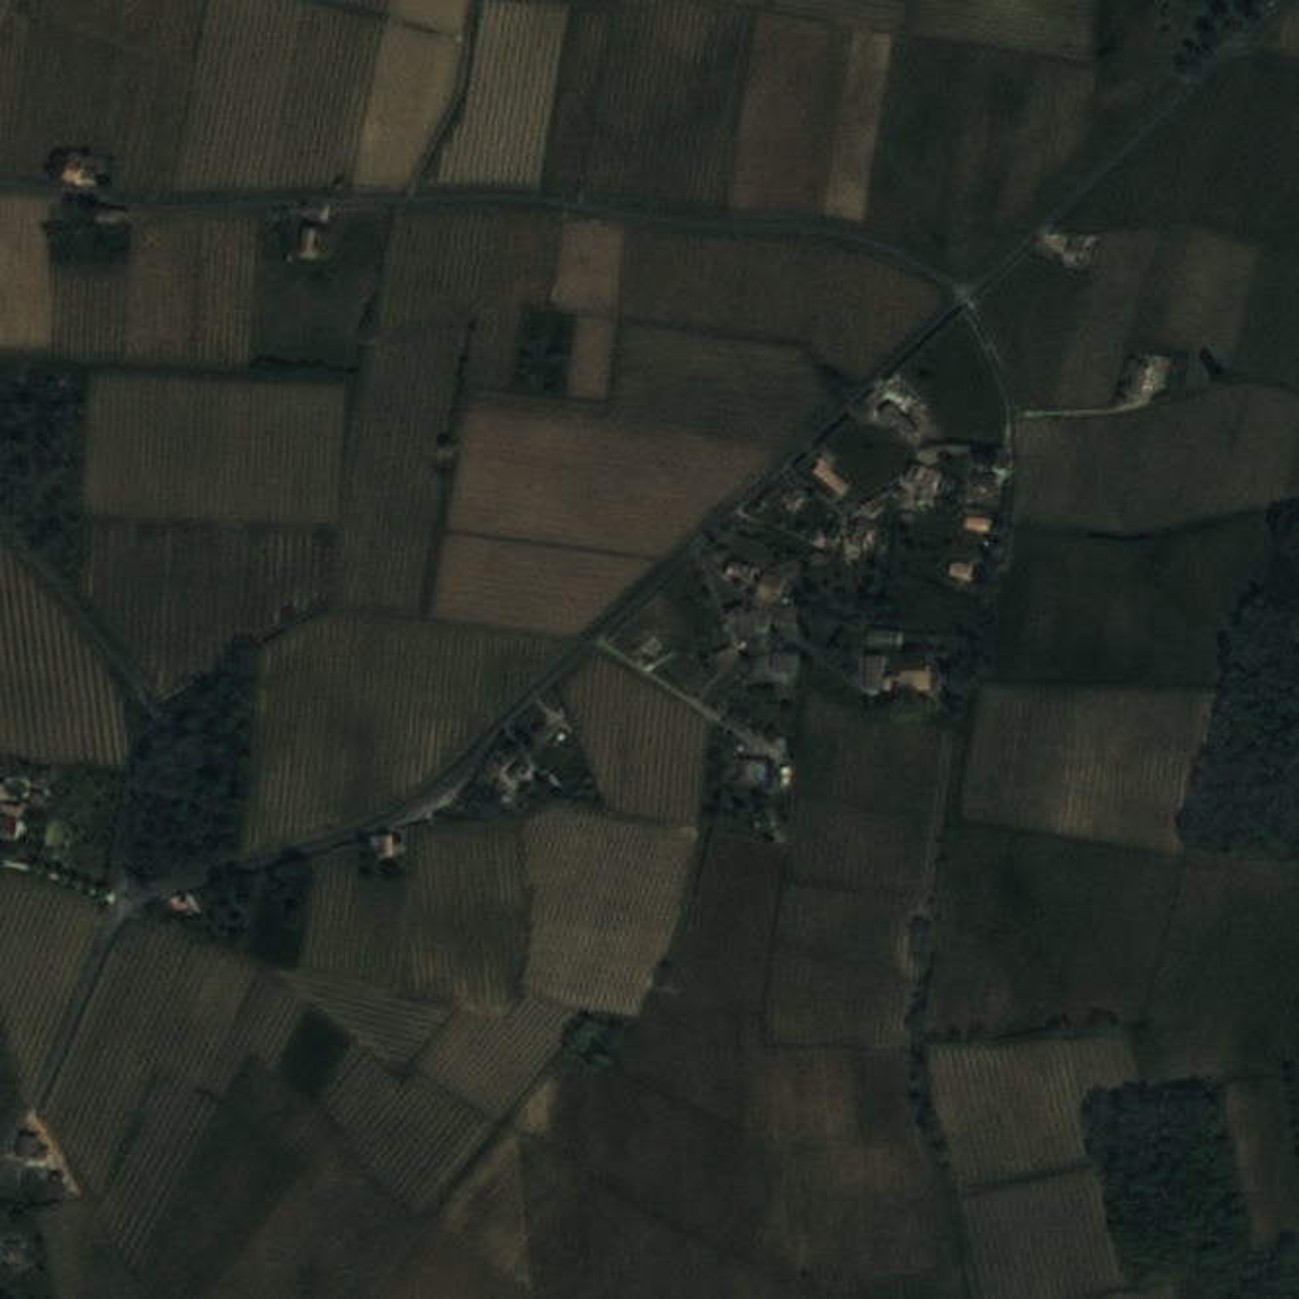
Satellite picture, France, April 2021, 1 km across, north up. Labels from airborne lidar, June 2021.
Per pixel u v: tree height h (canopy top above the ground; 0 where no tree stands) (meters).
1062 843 0
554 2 0
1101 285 0
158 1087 0
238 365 0
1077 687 0
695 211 0
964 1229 0
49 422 7
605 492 0
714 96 0
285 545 0
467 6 0
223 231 0
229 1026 0
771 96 0
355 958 0
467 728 0
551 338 0
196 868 9
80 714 0
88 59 0
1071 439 0
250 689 14
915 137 0
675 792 0
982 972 0
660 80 0
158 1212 0
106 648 0
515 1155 0
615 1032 12
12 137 0
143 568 0
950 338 0
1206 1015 0
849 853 0
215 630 0
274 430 0
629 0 0
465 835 0
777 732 7
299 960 0
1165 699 0
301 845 0
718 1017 0
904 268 0
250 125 0
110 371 0
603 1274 0
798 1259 0
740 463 0
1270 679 22
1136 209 0
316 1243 0
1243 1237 21
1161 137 0
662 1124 0
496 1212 0
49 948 0
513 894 0
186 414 0
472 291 0
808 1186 0
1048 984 0
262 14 0
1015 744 0
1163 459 0
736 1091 0
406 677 0
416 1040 0
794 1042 0
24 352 0
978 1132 0
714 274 0
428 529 0
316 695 0
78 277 0
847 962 0
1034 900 0
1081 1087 0
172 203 0
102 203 9
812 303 0
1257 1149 0
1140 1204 26
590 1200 0
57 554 15
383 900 0
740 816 9
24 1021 0
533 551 0
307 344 0
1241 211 0
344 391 0
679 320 0
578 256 0
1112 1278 0
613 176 0
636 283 0
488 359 0
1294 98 0
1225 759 19
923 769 0
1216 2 13
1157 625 0
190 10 0
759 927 0
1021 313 0
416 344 0
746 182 0
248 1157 0
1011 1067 0
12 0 0
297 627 13
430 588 0
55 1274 0
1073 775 0
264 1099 0
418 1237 0
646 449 0
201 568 0
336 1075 0
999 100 0
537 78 0
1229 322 0
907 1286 0
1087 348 0
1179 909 0
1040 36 0
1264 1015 0
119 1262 0
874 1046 0
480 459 0
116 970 0
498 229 0
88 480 12
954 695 10
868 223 0
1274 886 0
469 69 0
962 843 0
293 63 0
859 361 0
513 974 0
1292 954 0
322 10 0
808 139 0
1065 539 0
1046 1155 0
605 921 0
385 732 0
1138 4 0
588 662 0
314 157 0
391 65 0
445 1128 0
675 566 0
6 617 0
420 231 0
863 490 0
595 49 0
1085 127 0
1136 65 0
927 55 0
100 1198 0
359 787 0
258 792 0
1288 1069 6
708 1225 0
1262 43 0
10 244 0
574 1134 0
